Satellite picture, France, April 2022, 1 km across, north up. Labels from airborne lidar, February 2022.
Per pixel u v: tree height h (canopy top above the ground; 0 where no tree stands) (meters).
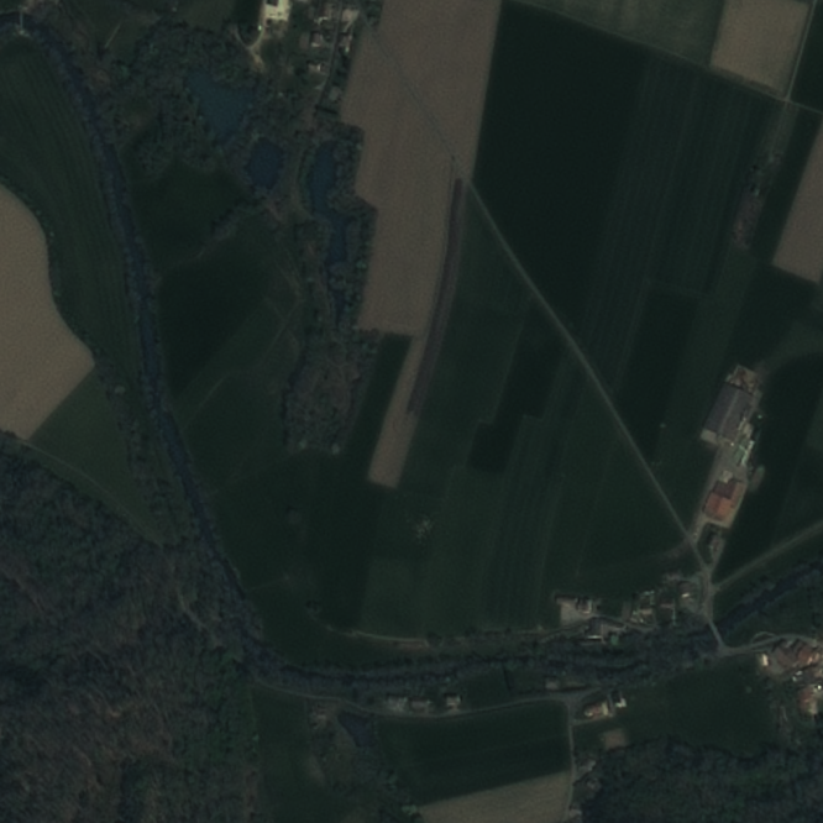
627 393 0
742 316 0
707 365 0
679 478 0
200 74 0
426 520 0
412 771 0
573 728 0
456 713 0
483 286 0
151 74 21
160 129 0
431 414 0
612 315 0
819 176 0
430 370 0
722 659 18
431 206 0
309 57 0
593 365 0
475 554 0
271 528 0
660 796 11
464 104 0
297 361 0
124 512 0
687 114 0
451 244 0
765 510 0
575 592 0
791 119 0
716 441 0
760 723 0
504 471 0
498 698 0
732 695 0
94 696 27
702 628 18
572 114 0
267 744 0
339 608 0
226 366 0
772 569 0
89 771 31
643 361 0
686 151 0
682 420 0
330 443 9
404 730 0
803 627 0
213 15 0
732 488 0
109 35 0
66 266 0
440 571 0
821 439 0
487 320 0
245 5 0
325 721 0
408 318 0
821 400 0
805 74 0
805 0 0
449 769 0
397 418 0
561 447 0
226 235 14
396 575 0
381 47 0
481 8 0
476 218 0
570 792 0
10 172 0
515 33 0
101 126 15
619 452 0
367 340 9
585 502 0
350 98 0
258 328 0
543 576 0
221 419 0
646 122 0
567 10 0
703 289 0
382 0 6
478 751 0
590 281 0
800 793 18
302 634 0
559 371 0
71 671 15
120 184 0
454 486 0
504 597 0
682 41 0
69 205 0
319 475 0
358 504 0
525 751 0
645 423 0
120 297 0
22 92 0
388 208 0
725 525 0
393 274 0
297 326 0
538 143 0
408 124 0
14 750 21
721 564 0
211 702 13
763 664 0
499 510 0
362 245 10
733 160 0
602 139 0
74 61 16
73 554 29
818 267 0
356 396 9
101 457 0
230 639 33
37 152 0
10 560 29
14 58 0
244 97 0
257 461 0
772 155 0
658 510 0
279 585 0
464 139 0
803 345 0
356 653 0
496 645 17
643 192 0
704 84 0
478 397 0
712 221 0
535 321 0
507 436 0
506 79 0
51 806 26
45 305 0
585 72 0
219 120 0
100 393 0
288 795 0
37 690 16
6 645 25
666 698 0
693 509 0
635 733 0
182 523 19
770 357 0
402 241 0
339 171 10
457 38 0
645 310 0
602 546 0
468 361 0
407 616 0
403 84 0
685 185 0
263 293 0
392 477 0
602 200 0
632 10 0
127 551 20
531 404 0
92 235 0
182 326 0
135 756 29
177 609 12
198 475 8
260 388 0
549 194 0
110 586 19
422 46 0
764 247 0
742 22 0
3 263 0
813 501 0
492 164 0
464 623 0
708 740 0
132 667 27
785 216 0
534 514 0
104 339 0
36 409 0
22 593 33
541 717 0
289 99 10
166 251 0
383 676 21
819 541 0
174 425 0
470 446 0
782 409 0
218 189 0
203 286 0
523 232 0
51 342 0
